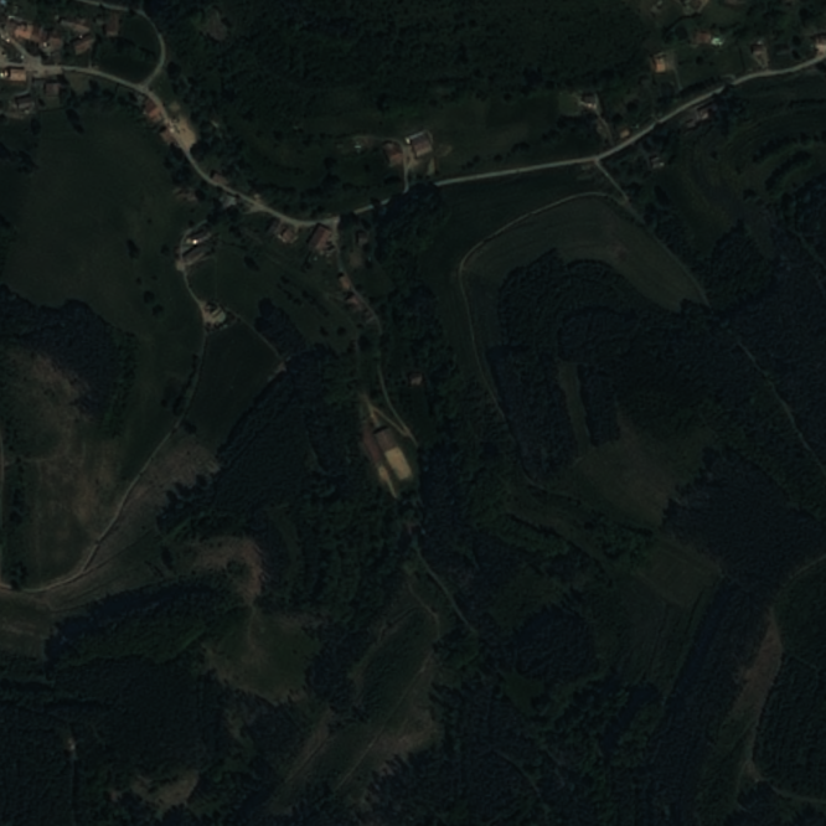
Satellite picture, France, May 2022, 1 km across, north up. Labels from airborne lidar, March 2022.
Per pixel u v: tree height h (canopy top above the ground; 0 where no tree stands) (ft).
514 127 0
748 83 0
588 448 0
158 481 0
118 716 57
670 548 0
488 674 98
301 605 76
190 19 64
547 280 30
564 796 107
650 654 0
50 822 53
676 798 80
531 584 0
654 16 0
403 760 0
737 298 31
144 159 0
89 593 0
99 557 0
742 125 23
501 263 0
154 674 64
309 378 94
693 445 0
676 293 0
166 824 0
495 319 0
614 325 65
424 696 0
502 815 30
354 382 117
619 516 0
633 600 0
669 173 0
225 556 0
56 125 0
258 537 68
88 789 42
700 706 101
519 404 94
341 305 0
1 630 0
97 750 61
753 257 45
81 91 0
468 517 115
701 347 69
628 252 0
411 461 0
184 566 0
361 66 35
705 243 0
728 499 75
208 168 0
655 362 51
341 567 102
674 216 47
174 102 0
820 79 0
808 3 56
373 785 0
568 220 0
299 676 0
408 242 84
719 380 67
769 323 95
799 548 85
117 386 29
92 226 0
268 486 44
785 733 24
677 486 0
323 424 63
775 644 0
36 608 0
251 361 0
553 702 68
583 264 26
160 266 0
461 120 0
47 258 0
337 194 69
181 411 18
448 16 0
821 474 41
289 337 87
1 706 64
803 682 25
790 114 0
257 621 0
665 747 77
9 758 63
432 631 0
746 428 65
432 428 0
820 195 75
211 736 61
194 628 91
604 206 0
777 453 87
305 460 39
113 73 0
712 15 0
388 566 98
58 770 39
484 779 111
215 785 79
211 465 0
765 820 77
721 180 0
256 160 25
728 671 94
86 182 0
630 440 0
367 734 0
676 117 0
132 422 0
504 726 99
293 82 35
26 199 0
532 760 94
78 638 97
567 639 91
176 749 60
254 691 0
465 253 0
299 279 0
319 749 0
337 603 103
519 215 0
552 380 79
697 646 0
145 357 0
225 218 50
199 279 0
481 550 89
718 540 81
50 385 0
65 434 0
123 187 0
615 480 0
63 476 0
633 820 32
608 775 43
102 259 0
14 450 31
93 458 0
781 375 114
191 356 0
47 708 73
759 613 100
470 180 0
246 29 0
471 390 19
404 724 0
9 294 58
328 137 22
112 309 0
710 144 0
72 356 76
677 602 0
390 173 0
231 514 25
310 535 40
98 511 0
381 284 0
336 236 0
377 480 0
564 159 0
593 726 76
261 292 0
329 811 34
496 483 116
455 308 0
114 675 57
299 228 0
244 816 111
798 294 86
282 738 120
